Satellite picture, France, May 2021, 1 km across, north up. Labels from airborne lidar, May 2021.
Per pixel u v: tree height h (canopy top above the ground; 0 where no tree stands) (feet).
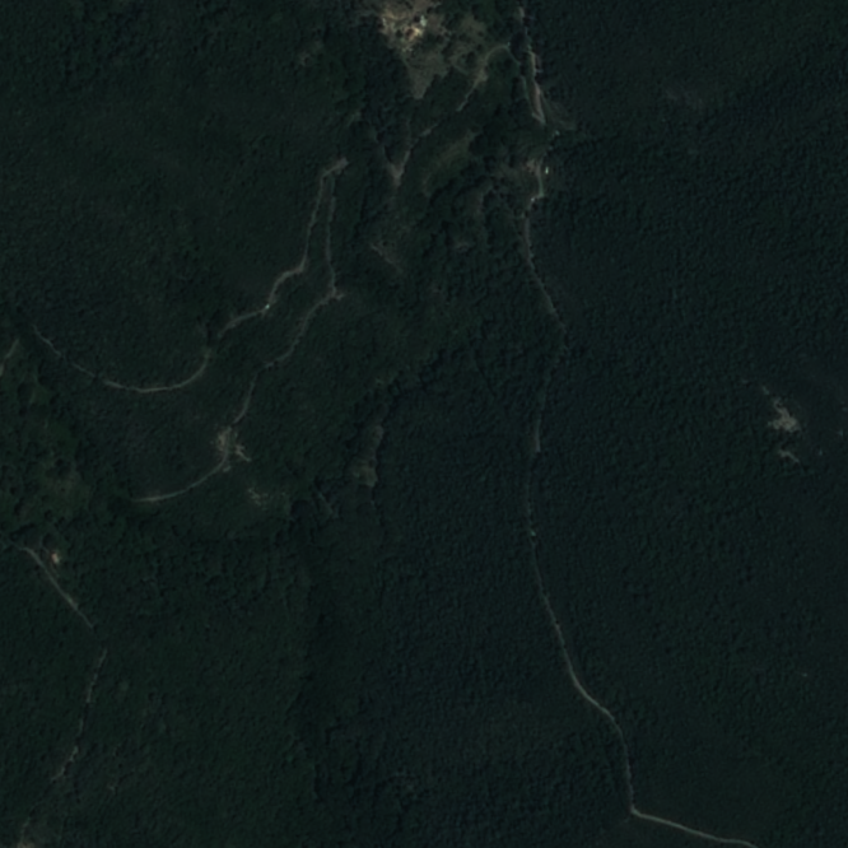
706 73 27
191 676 45
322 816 69
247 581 39
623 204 34
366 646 52
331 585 52
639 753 40
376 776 54
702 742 20
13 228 33
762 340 29
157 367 22
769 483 20
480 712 23
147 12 42
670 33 24
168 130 26
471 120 55
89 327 34
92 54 40
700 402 29
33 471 42
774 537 20
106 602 51
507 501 18
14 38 38
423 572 22
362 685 58
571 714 25
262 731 39
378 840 49
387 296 28
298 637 39
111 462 45
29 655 31
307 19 69
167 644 61
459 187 59
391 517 55
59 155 24
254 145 36
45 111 22
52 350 31
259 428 35
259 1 69
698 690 29
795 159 34
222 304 27
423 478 18
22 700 29
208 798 19
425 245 61
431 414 25
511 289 30
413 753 40
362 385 42
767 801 19
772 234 38
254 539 65
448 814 22
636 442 42
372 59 67
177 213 49
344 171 22
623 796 22
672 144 25
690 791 17
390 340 36
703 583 18
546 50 42
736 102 34
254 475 25
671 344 37
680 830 22
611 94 36
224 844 35
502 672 35
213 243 31
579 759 58
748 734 18
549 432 35
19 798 48
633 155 58
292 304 32
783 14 33
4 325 50
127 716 50
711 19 19
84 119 22
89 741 45
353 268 42
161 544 57
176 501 26
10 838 43
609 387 24
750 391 23
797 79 44
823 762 26
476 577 31
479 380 47
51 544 56
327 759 70
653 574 28
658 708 23
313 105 21
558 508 38
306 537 78
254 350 52
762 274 24
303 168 29
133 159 28
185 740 25
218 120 23
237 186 24
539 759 43
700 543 31
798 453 24
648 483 20
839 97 27
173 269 52
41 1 23
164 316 17
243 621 57
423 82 0
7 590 43
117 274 30
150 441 26
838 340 22
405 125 29
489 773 62
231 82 20
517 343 45
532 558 31
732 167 31
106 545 60
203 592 74
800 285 22
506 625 37
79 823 52
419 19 27
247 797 51
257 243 20
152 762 43
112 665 42
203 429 24
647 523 38
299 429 34
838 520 23
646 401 37
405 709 35
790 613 18
